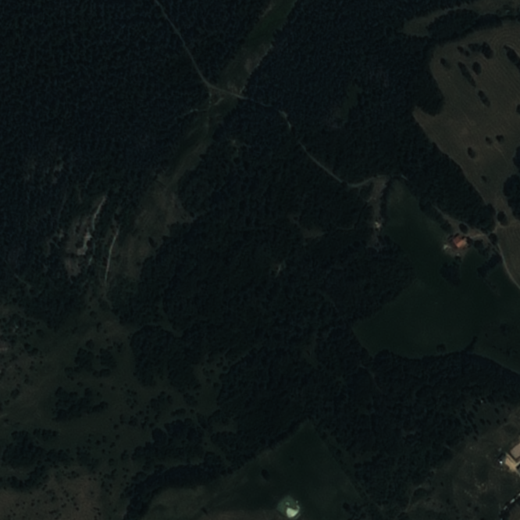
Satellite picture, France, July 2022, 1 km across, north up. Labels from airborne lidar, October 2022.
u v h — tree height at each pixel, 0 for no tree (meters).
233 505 0
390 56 21
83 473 0
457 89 0
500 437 0
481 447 0
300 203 15
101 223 10
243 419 6
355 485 6
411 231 0
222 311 8
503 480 0
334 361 8
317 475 0
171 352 21
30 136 13
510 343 0
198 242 23
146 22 29
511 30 0
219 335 8
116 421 0
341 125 17
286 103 22
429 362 19
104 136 20
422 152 11
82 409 9
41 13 20
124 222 7
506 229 0
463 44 0
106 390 0
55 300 7
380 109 21
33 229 19
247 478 0
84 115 22
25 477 0
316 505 0
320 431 12
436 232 0
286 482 0
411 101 20
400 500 9
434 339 0
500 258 20
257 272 8
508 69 0
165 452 6
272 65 20
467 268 0
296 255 17
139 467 0
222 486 0
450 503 8
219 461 7
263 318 8
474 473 0
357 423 19
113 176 7
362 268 7
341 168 8
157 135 9
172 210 0
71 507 0
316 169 7
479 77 0
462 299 0
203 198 9
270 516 0
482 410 0
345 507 12
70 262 0
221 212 24
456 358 16
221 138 21
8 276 21
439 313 0
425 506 0
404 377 19
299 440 0
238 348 6
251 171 25
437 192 9
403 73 17
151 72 12
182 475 25
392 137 19
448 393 14
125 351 0
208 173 6
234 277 7
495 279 0
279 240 12
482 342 0
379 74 20
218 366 7
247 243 8
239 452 8
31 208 18
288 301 6
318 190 12
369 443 18
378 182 0
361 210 10
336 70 11
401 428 18
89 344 8
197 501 0
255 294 21
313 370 7
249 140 11
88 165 12
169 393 0
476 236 0
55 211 18
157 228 0
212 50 16
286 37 14
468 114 0
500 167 0
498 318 0
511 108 0
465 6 0
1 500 0
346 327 20
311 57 22
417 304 0
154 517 0
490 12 0
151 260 6
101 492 0
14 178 14
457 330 0
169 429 20
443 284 0
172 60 10
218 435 7
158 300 17
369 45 18
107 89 16
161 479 23
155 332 8
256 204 28
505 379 27
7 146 15
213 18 21
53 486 0
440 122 0
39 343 0
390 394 20
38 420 0
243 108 12
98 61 21
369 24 21
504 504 0
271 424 9
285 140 15
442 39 18
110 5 34
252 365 15
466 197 14
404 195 0
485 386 21
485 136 0
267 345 25
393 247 18
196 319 7
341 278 28
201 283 17
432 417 10
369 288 17
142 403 0
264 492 0
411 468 6
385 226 7
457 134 0
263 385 16
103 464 0
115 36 9
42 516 0
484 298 0
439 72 0
